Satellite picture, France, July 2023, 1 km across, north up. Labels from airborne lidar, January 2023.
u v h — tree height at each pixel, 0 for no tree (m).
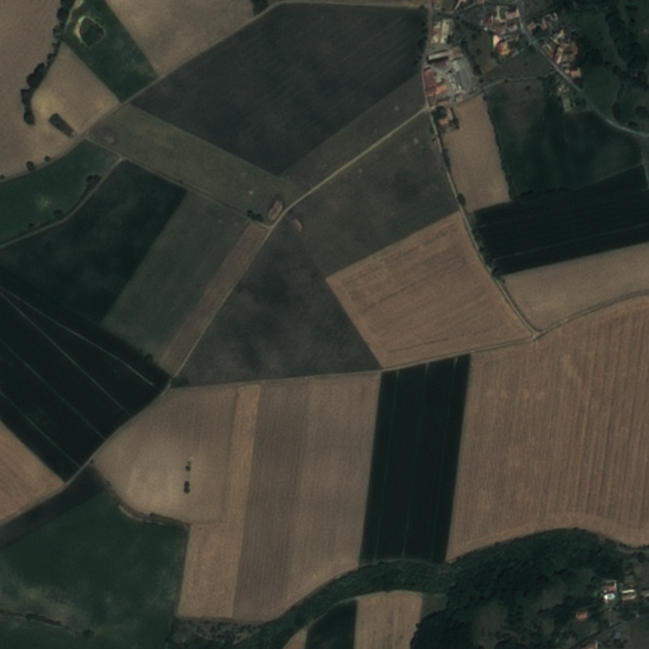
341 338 0
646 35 0
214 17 0
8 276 0
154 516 8
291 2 0
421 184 0
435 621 22
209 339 0
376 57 0
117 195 0
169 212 0
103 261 0
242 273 0
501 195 0
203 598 0
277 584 0
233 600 0
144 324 0
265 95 0
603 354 0
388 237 0
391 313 0
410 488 0
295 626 9
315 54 0
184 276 0
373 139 0
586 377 0
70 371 0
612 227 0
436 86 0
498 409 0
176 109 0
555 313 0
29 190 0
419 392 0
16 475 0
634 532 0
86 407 0
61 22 7
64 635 0
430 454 0
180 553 0
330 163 0
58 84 0
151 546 0
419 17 0
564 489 0
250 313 0
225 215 0
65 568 0
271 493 0
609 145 0
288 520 0
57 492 0
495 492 0
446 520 0
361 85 0
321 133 0
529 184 0
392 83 0
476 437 0
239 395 0
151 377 0
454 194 0
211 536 0
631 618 5
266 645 12
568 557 20
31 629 0
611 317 0
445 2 0
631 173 0
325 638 0
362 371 0
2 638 0
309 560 0
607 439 0
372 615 0
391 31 0
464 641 19
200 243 0
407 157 0
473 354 0
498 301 0
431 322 0
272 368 0
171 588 0
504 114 0
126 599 0
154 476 0
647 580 0
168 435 0
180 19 0
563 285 0
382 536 0
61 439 0
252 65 0
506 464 0
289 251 0
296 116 0
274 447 0
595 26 0
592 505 0
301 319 0
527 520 0
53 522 0
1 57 0
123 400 0
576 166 0
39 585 0
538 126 0
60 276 0
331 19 0
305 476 0
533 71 0
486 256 8
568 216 0
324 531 0
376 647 0
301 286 0
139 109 0
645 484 0
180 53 0
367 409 0
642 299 0
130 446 0
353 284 0
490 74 0
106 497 0
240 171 0
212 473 0
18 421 0
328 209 0
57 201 0
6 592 0
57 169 0
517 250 0
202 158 0
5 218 0
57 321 0
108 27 0
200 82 0
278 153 0
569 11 11
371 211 0
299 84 0
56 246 0
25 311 0
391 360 0
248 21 0
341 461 0
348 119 0
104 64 0
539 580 22
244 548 0
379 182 0
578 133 0
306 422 0
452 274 0
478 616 0
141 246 0
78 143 0
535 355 0
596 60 19
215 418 0
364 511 0
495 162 0
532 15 0
